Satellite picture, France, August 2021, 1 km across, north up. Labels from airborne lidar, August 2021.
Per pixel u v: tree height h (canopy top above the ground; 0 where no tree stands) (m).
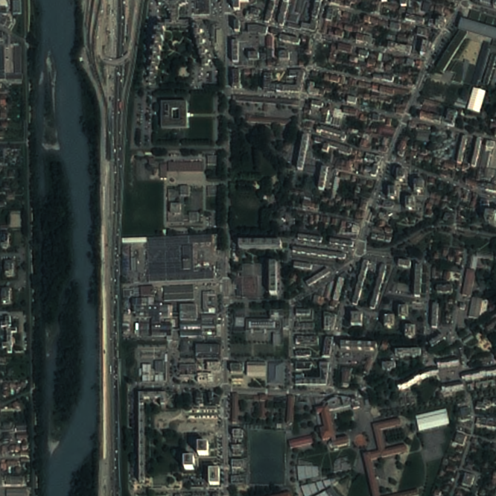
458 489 6
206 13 0
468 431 11
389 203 0
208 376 0
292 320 0
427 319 0
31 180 10
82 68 11
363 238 0
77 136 0
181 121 0
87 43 0
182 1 0
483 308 0
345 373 0
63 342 12
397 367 10
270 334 0
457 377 0
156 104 13
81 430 0
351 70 6
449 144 0
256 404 10
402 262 0
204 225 0
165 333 0
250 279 0
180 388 0
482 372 0
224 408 0
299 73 0
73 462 0
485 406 0
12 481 0
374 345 0
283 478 0
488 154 0
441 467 6
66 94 0
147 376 0
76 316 11
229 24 0
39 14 11
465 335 13
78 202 0
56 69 0
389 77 0
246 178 11
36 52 19
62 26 0
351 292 8
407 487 0
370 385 12
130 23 0
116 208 0
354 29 0
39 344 18
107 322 0
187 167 0
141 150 0
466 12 0
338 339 0
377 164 0
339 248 0
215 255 0
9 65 0
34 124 13
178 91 14
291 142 25
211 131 0
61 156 0
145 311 0
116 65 0
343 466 0
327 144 0
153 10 0
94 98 11
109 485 0
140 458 0
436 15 11
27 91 0
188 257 0
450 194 8
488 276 7
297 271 11
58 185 12
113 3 0
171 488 0
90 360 0
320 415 0
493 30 0
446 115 0
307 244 0
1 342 13
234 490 18
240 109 9
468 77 0
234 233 16
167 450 15
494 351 17
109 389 0
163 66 12
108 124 0
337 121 0
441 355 19
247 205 0
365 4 12
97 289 14
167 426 0
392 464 0
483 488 6
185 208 0
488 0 0
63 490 0
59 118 0
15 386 0
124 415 0
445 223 6
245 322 0
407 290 0
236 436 0
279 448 0
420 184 0
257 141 29
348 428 9
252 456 0
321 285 0
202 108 0
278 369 0
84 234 0
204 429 0
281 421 10
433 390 0
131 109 0
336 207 7
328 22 0
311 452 12
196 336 0
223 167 12
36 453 10
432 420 0
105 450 0
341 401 0
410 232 12
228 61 0
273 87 0
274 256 14
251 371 0
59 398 15
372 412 0
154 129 12
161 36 0
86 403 0
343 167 0
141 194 0
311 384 0
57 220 19
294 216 8
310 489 0
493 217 0
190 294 0
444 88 0
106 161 0
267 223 17
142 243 0
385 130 0
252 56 0
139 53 8
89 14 0
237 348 0
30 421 13
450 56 0
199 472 8
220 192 12
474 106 0
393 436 12
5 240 0
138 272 0
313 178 10
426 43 0
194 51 7
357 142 6
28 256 0
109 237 0
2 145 0
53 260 18
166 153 10
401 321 0
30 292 0
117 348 0
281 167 22
